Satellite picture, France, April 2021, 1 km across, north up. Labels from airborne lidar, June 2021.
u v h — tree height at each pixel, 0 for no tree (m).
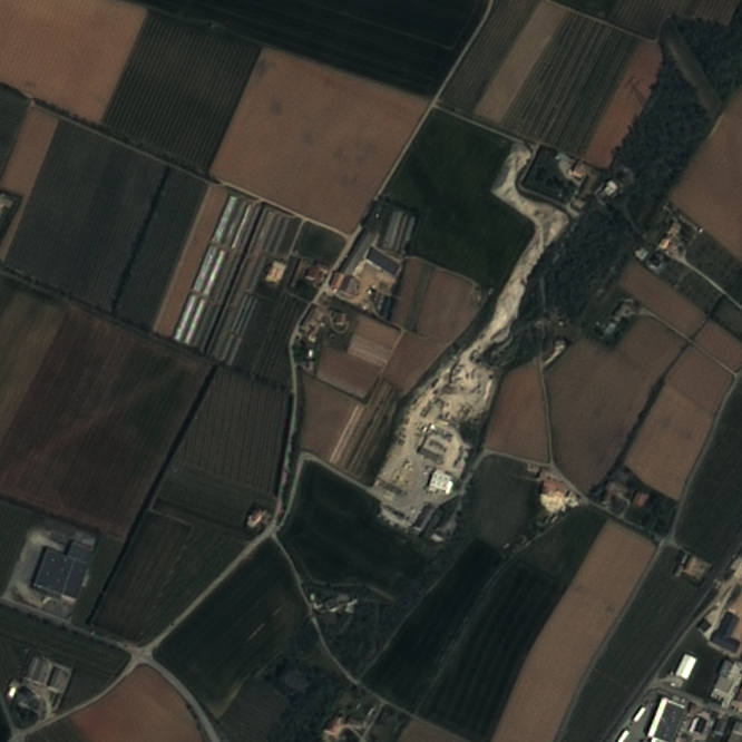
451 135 0
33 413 0
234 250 0
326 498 0
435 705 0
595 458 0
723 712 0
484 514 0
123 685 0
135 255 12
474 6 0
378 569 0
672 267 11
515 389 0
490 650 0
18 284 0
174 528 0
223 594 0
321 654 0
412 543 0
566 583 0
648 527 11
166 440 0
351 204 0
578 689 0
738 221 0
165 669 0
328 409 0
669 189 15
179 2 0
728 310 0
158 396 0
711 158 0
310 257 0
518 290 0
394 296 11
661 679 0
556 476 0
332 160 0
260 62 0
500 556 0
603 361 0
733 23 10
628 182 6
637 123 13
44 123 0
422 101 0
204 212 0
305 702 16
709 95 0
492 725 0
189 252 0
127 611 0
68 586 0
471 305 0
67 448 0
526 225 0
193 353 15
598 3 0
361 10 0
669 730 0
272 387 13
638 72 0
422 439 0
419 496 0
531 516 0
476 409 0
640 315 0
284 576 0
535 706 0
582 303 14
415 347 0
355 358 0
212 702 0
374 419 0
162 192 11
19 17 0
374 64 0
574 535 0
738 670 0
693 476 0
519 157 0
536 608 0
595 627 0
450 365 0
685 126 16
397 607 12
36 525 0
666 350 0
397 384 0
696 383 0
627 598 0
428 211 0
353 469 0
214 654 0
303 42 0
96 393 0
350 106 0
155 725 0
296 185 0
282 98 0
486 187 0
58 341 0
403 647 0
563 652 0
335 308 0
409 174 0
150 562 0
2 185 0
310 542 0
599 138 0
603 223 8
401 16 0
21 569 0
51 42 0
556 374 0
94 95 0
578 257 10
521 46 0
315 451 0
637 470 0
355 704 0
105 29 0
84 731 0
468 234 0
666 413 0
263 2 0
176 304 0
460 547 12
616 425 0
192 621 0
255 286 0
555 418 0
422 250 0
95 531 11
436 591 0
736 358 0
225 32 0
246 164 0
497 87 0
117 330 0
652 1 0
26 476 0
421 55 0
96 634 0
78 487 0
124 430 0
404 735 0
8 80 0
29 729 0
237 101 0
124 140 9
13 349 0
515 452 0
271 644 0
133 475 0
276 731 12
